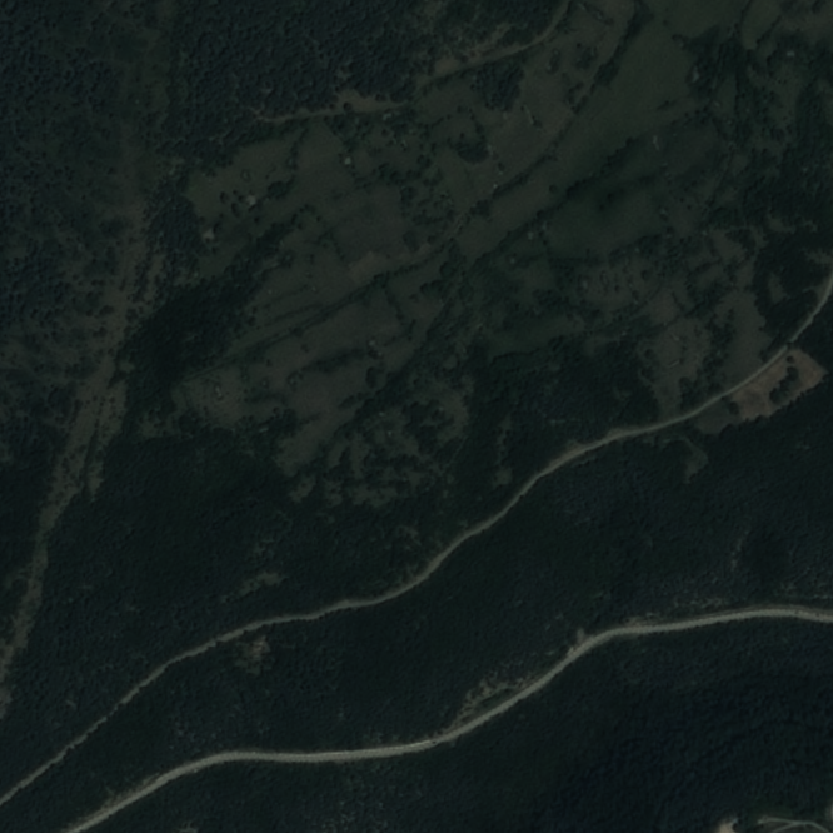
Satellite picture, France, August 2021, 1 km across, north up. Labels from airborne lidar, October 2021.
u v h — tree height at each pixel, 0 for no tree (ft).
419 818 42
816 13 30
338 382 0
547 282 0
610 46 0
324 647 43
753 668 48
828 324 21
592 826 52
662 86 0
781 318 35
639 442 27
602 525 34
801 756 78
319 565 32
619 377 29
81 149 23
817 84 25
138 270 20
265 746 33
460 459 28
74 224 23
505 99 41
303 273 0
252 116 25
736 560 18
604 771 77
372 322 0
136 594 33
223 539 35
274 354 0
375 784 32
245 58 45
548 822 52
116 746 32
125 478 41
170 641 30
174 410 30
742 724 89
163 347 31
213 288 32
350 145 32
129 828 32
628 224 0
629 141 28
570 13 37
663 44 0
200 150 44
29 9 39
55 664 42
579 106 29
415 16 23
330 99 35
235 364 23
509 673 21
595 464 34
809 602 18
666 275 23
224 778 39
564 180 0
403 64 35
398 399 29
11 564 25
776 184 31
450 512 31
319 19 44
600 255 0
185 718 39
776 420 34
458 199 0
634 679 27
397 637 30
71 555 47
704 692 47
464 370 36
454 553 31
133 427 31
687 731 71
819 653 61
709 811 54
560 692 44
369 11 34
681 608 30
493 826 45
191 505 32
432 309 0
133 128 0
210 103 48
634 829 62
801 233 27
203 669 37
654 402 20
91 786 30
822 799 45
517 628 32
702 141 0
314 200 0
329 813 21
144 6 26
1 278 27
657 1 0
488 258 33
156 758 26
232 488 33
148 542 44
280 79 31
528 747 46
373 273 0
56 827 23
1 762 40
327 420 0
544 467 27
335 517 25
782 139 33
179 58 22
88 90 19
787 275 31
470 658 37
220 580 43
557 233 0
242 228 0
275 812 31
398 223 0
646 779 74
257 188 0
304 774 38
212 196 0
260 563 26
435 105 0
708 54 23
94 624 43
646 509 45
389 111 19
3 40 33
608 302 0
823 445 34
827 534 35
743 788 61
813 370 0
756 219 25
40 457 25
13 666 26
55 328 26
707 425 0
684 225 0
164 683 31
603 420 28
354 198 0
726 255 0
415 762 25
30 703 51
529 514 29
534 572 38
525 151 0
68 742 36
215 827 41
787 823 0
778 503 46
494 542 32
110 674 42
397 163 0
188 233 27
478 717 0
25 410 30
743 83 32
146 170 0
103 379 0
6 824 28
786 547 49
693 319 23
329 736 30
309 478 28
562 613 32
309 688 36
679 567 42
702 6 0
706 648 36
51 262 32
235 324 23
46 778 42
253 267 21
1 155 33
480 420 35
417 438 23
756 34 0
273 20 43
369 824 27
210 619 40
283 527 22
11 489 29
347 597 29
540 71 0
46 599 46
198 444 29
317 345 0
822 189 33
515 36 21
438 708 36
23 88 28
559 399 27
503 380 36
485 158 36
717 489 41
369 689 36
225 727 37
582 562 42
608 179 0
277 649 39
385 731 33
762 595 29
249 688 22
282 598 39
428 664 33
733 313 23
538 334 0
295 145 25
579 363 39
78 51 26
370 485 30
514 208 0
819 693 91
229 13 46
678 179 0
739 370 0
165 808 32
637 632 0
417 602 37
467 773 41
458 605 30
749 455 36
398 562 29
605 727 56
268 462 37
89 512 39
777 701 65
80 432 0
